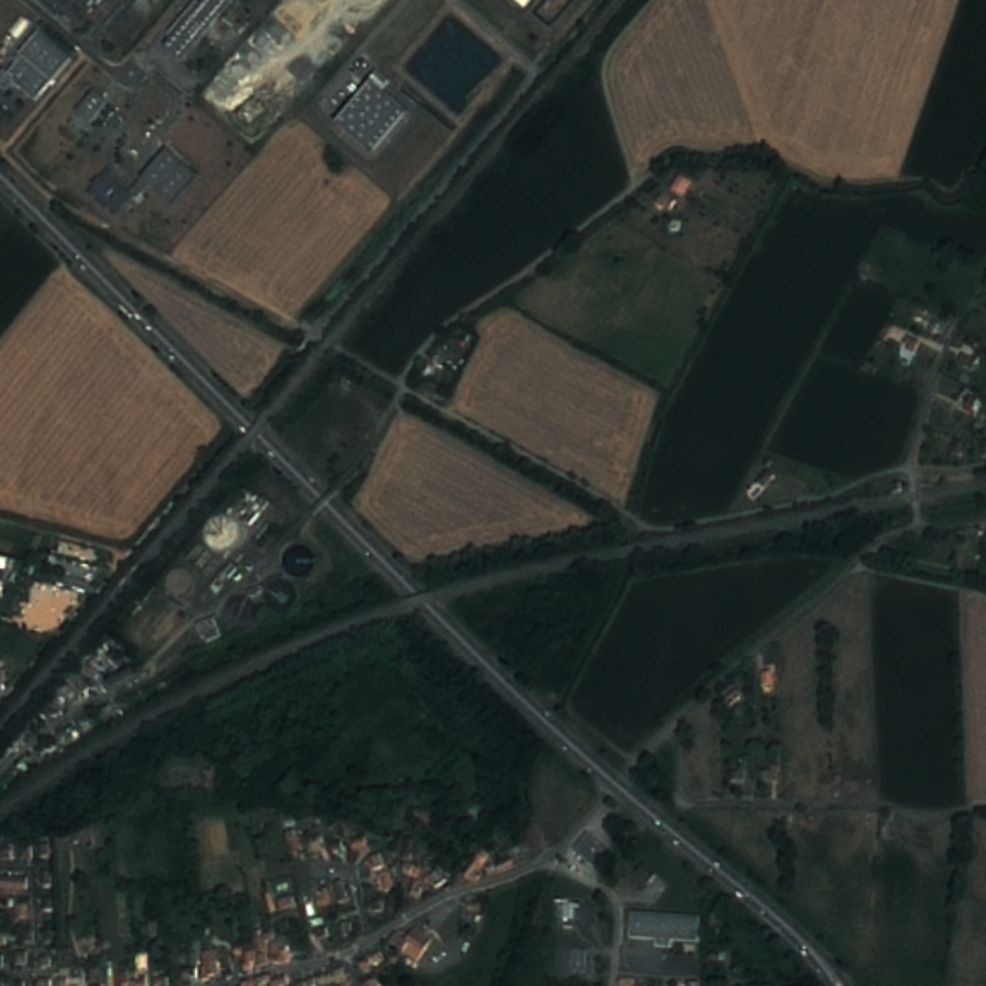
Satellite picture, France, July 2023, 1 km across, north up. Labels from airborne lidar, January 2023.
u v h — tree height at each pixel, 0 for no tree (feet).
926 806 0
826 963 0
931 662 0
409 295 0
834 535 71
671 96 0
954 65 0
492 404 0
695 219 0
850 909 0
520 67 0
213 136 0
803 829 0
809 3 0
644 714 0
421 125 0
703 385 0
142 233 0
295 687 40
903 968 0
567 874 0
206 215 0
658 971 0
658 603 0
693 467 0
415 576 29
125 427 0
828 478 20
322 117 0
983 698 0
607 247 0
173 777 0
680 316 0
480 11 0
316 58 0
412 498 0
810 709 0
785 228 0
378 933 0
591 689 0
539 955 0
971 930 0
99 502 0
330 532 0
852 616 0
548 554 72
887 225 0
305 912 0
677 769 0
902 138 0
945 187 0
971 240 0
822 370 0
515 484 0
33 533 0
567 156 0
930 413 0
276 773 22
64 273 0
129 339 0
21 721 43
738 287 0
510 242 0
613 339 0
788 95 0
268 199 0
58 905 57
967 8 0
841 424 0
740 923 52
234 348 0
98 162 0
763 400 0
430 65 0
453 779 0
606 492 0
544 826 0
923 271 0
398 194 0
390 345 0
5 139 0
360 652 93
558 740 0
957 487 0
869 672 0
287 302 0
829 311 0
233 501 0
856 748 0
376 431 0
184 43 0
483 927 0
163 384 0
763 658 0
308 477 0
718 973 36
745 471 0
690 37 0
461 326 23
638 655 0
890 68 0
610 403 0
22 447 0
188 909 37
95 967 25
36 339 0
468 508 0
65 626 37
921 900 0
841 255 0
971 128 0
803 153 0
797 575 0
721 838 0
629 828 39
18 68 0
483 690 61
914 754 0
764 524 0
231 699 72
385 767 0
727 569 0
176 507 28
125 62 0
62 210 63
